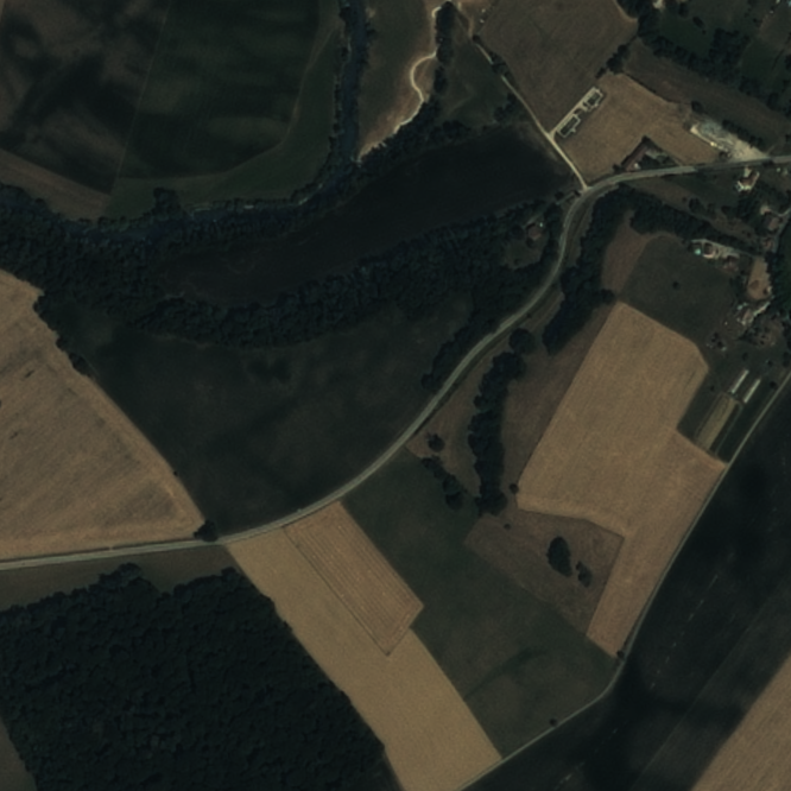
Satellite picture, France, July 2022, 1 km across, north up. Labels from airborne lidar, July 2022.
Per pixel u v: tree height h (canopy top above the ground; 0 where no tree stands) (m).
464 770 0
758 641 0
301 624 0
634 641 0
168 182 0
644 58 0
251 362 0
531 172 0
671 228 11
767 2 0
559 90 0
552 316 0
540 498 0
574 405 0
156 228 0
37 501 0
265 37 0
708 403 0
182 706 28
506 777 0
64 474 0
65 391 0
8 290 0
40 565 0
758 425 0
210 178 0
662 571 0
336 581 0
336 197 17
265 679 24
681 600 0
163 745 29
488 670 0
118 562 0
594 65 0
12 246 21
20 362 0
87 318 0
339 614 0
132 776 30
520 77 0
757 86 13
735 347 0
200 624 25
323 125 0
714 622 0
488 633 0
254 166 0
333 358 0
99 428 0
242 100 0
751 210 7
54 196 0
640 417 0
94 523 0
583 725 0
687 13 22
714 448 0
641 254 0
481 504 15
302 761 24
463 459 0
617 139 0
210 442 0
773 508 0
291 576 0
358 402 0
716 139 0
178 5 0
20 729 16
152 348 0
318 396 0
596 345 0
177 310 19
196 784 25
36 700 26
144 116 0
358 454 0
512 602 0
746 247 11
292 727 25
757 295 0
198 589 21
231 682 29
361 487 0
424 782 0
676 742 0
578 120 0
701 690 0
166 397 0
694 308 0
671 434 0
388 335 0
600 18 0
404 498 0
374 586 0
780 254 7
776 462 0
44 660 30
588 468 0
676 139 0
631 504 0
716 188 0
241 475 0
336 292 25
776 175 0
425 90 0
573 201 0
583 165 0
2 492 0
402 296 20
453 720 0
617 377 0
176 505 0
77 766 29
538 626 0
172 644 29
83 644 30
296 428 0
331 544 0
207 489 0
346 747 20
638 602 0
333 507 0
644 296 0
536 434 0
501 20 0
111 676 31
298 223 13
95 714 23
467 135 19
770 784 0
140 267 13
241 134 0
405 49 0
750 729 0
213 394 0
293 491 0
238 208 9
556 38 0
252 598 22
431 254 32
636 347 0
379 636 0
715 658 0
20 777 0
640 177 0
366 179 23
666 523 0
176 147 0
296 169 0
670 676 0
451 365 12
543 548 0
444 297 15
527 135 0
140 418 0
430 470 14
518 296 15
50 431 0
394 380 0
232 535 0
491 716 0
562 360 0
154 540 0
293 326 25
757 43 0
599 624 0
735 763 0
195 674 26
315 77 0
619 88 0
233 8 0
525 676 0
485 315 15
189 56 0
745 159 0
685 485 0
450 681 0
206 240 26
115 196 0
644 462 0
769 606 0
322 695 23
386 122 0
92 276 18
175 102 0
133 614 26
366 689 0
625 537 0
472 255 26
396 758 0
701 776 0
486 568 0
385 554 0
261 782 27
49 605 19
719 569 0
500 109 0
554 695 0
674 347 0
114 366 0
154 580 0
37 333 0
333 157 10
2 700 19
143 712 13
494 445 27
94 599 26
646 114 0
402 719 0
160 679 32
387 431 0
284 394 0
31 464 0
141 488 0
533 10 0
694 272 0
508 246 19
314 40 0
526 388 0
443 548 0
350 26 11
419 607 0
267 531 0
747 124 0
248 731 25
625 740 0
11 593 0
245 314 21
